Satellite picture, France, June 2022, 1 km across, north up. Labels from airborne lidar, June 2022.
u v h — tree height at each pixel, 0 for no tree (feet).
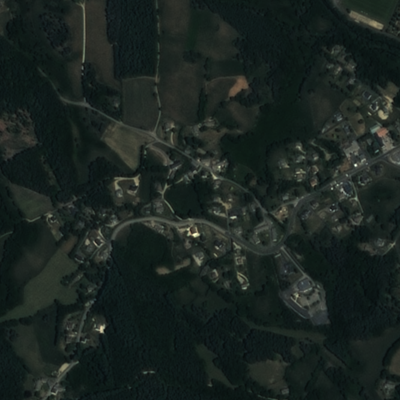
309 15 48
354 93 0
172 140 0
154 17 85
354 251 47
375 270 84
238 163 0
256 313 0
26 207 0
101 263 32
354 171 0
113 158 0
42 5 0
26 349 0
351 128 46
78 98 0
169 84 0
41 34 0
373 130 0
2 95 65
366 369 0
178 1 0
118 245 68
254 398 27
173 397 76
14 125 30
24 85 72
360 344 0
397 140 39
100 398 87
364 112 0
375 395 0
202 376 94
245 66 50
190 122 0
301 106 0
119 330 106
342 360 82
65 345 0
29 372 68
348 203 0
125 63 80
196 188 77
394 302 73
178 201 0
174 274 27
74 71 0
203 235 32
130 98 0
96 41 0
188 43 0
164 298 49
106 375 90
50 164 54
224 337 81
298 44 0
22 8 0
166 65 0
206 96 33
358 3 0
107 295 116
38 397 45
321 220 0
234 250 24
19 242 59
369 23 0
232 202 0
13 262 29
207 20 0
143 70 74
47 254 0
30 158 72
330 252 46
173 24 0
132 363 62
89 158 0
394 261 75
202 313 39
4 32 0
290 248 26
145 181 0
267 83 18
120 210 24
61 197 64
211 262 55
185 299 0
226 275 56
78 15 0
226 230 0
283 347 102
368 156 0
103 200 70
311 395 21
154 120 0
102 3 0
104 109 40
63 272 0
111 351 84
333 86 43
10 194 51
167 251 28
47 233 0
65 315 48
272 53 62
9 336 43
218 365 58
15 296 27
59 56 0
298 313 19
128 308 102
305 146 20
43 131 60
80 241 25
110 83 0
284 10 0
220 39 0
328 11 36
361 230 51
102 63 0
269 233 0
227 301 56
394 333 0
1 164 44
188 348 77
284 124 0
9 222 72
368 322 87
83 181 0
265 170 28
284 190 26
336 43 55
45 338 0
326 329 38
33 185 65
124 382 68
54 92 81
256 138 0
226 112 0
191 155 26
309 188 24
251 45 75
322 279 38
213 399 51
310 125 0
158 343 80
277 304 0
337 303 59
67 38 71
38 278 0
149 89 0
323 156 19
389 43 48
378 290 76
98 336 0
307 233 31
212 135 0
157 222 0
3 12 0
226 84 0
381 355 0
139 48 76
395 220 41
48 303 0
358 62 75
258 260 0
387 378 23
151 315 65
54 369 0
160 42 25
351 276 37
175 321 81
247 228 0
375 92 32
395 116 0
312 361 0
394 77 52
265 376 0
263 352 97
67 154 86
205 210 52
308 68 36
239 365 82
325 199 0
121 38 55
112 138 0
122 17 53
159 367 74
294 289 0
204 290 0
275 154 0
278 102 19
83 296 53
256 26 64
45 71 44
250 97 48
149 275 18
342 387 51
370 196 0
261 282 0
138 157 0
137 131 0
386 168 0
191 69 0
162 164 0
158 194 21
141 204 34
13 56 80
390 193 0
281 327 27
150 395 54
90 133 0
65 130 89
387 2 0
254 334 80
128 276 82
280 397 55
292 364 31
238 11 68
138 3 66
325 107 0
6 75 63
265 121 0
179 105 0
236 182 21
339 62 40
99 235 0
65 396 19
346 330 57
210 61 36
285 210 0
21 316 0
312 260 0
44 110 57
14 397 52
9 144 0
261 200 35
